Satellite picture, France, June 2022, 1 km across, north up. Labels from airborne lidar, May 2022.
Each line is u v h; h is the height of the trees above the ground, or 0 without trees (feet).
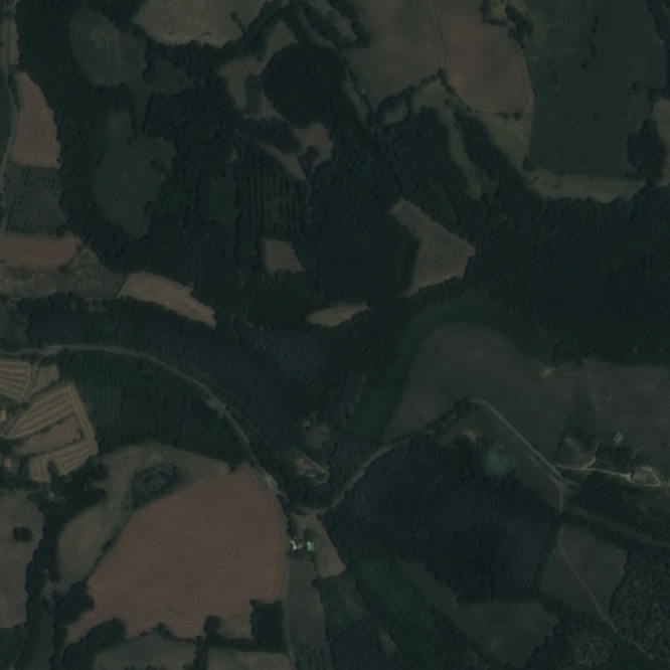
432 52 0
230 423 31
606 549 0
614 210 80
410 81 0
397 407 0
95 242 69
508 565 58
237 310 56
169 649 0
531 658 25
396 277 53
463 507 46
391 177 19
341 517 56
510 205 70
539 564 41
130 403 21
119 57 0
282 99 26
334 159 54
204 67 75
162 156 0
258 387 53
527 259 59
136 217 0
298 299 27
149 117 60
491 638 0
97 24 0
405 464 62
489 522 52
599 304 46
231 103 82
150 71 59
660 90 43
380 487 56
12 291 0
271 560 0
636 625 50
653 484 0
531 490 56
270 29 50
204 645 34
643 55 0
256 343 48
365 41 59
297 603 0
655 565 60
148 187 0
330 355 64
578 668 61
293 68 25
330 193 69
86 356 31
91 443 0
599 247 64
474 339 0
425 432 26
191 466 0
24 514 0
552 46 0
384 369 66
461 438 25
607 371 0
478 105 0
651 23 0
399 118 0
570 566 0
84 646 36
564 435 24
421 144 76
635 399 0
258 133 89
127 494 0
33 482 25
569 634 62
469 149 42
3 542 0
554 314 47
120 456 0
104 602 0
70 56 53
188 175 47
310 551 21
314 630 0
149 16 0
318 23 75
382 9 0
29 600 34
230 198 0
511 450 0
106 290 0
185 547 0
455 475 67
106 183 0
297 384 63
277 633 45
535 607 0
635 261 34
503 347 0
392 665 34
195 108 97
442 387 0
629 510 60
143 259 76
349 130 41
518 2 0
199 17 0
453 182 63
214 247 70
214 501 0
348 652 49
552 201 40
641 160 58
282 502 33
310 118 22
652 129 62
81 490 46
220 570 0
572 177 0
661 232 67
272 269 0
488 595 74
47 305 44
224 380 52
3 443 36
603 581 0
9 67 19
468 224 56
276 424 46
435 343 0
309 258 77
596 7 0
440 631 37
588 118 0
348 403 44
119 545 0
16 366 0
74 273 0
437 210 62
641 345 43
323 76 31
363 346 70
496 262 55
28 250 0
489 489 66
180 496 0
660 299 52
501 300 39
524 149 0
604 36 0
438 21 0
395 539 54
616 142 0
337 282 67
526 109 0
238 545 0
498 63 0
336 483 44
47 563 69
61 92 70
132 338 52
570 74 0
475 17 0
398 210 0
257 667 0
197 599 0
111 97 75
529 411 0
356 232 58
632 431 0
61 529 53
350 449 69
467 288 57
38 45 69
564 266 61
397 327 59
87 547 0
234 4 0
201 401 39
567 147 0
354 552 45
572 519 44
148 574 0
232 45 54
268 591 0
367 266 45
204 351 47
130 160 0
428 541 58
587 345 47
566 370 0
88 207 75
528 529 52
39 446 0
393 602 39
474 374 0
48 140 0
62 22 55
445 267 0
